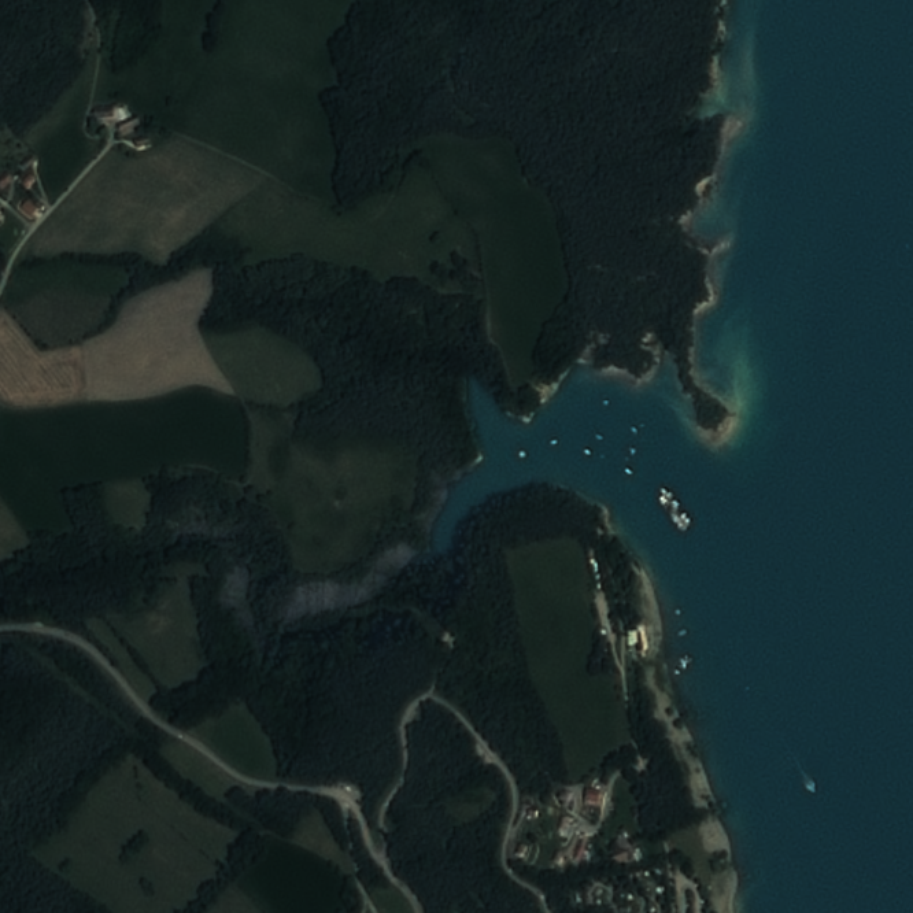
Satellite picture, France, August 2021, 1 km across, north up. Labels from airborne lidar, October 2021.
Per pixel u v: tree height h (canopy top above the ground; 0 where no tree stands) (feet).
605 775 30
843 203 0
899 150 0
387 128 46
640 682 23
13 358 0
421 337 39
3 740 53
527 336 0
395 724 30
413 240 0
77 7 37
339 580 39
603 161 33
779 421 0
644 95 31
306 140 0
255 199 0
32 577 85
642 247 21
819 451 0
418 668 52
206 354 0
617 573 36
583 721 0
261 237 0
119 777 0
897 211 0
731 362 0
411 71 32
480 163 0
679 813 50
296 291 71
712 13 24
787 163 0
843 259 0
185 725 44
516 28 41
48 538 38
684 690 0
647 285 26
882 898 0
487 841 46
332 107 49
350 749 40
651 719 45
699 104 42
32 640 31
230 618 62
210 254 29
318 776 46
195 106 0
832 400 0
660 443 0
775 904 0
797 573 0
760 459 0
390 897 0
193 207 0
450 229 0
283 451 0
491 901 56
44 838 48
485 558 27
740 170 0
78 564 66
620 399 0
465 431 24
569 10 36
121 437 0
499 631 29
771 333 0
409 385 52
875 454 0
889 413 0
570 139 32
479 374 45
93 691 39
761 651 0
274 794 35
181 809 0
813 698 0
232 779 0
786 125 0
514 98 32
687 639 0
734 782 0
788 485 0
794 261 0
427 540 24
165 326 0
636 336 29
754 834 0
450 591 40
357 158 51
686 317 28
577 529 31
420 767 30
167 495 46
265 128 0
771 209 0
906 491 0
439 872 48
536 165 32
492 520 45
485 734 45
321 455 0
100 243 0
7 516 0
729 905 0
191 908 30
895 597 0
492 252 0
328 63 0
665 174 34
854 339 0
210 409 0
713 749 0
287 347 0
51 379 0
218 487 21
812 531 0
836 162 0
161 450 0
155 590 30
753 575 0
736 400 0
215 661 48
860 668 0
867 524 0
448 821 29
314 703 79
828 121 0
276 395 0
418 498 22
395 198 0
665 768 42
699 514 0
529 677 25
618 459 0
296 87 0
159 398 0
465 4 60
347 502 0
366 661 38
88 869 0
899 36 0
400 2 41
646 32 26
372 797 27
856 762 0
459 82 25
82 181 0
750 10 0
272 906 0
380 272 0
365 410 43
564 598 0
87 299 0
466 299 35
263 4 0
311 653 63
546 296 0
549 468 0
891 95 0
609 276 23
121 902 0
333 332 48
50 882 41
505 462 0
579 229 22
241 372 0
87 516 54
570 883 48
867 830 0
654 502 0
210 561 53
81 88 0
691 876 25
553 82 29
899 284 0
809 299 0
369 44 45
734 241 0
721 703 0
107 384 0
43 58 40
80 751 33
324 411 44
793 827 0
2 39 50
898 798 0
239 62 0
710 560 0
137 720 41
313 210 0
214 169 0
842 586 0
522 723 31
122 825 0
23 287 0
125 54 40
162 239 0
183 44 0
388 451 0
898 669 0
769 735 0
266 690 61
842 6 0
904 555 0
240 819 46
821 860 0
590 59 26
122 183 0
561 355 33
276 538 42
